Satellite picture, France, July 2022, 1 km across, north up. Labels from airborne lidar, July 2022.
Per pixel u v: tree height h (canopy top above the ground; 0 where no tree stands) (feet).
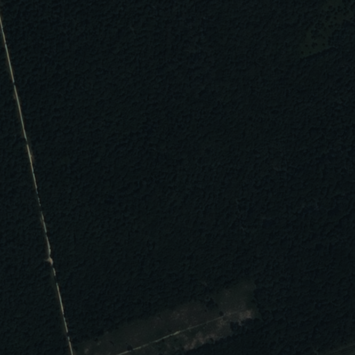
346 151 83
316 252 73
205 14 57
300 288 78
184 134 76
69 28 74
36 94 84
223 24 91
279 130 68
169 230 68
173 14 80
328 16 32
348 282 79
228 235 64
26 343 73
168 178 64
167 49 62
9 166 84
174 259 65
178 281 75
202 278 84
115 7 82
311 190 79
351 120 77
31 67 67
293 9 74
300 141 80
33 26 76
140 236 63
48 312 81
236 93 68
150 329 0
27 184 71
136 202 64
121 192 69
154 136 94
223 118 81
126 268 77
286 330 84
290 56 66
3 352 68
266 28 75
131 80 73
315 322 49
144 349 0
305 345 78
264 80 54
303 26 59
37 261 97
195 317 0
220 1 80
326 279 70
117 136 73
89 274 78
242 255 84
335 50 68
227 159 66
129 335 0
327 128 78
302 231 75
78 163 62
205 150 59
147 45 86
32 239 77
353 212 83
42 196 64
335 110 86
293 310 75
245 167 74
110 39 68
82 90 78
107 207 64
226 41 69
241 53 69
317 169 95
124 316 66
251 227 93
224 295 0
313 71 85
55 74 55
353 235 75
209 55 83
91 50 74
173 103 76
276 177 84
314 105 63
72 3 69
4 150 87
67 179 78
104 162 65
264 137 67
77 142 77
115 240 29
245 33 67
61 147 66
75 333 69
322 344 72
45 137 72
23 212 80
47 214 71
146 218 66
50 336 72
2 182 79
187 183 90
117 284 71
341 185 81
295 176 83
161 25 69
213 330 0
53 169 72
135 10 71
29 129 70
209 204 76
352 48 66
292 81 67
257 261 66
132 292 75
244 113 76
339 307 74
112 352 0
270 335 80
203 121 64
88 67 68
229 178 66
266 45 69
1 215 86
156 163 80
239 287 0
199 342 0
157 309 61
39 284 80
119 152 73
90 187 69
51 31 68
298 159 69
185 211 65
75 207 71
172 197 70
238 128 80
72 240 65
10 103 81
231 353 56
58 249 76
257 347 76
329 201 37
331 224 51
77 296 72
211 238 69
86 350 0
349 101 84
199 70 59
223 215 75
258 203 92
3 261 91
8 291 73
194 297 74
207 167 64
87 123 75
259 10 64
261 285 43
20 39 82
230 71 89
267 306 52
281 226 85
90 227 79
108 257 58
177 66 68
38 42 75
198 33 61
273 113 69
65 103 61
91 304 68
